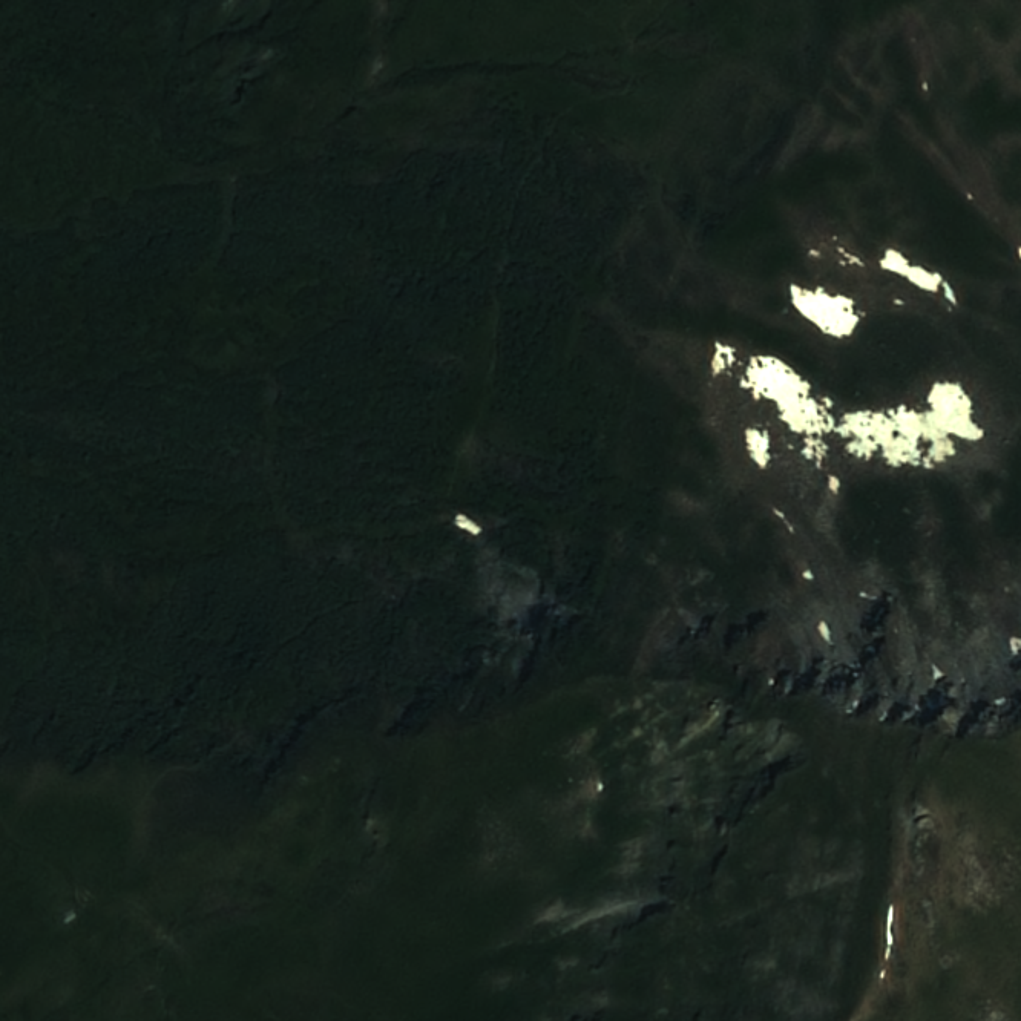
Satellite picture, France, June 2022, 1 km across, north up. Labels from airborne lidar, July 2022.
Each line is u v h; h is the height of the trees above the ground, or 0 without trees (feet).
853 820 0
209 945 0
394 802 0
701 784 0
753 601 0
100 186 0
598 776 0
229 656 18
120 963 0
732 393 0
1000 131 0
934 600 0
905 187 0
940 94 0
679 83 0
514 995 0
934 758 0
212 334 0
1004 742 0
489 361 0
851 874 0
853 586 0
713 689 0
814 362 0
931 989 0
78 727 18
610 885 0
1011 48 0
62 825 0
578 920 0
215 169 0
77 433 0
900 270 0
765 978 0
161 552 0
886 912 0
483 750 0
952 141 0
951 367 0
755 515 0
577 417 0
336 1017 0
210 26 0
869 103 0
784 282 0
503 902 0
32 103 0
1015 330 0
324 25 0
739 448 0
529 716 0
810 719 0
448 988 0
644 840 0
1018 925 0
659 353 0
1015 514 0
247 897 0
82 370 0
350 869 0
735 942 0
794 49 0
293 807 0
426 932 0
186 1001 0
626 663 0
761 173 0
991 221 0
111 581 0
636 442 0
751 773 0
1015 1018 0
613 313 0
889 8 0
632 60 0
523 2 0
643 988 0
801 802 0
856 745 0
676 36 0
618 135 0
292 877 0
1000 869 0
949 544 0
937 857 0
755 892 0
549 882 0
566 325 0
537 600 0
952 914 0
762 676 0
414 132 0
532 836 0
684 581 0
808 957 0
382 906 0
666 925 0
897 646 0
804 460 0
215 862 0
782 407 0
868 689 0
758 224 0
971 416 0
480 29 0
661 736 0
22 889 0
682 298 0
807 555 0
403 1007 0
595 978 0
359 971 0
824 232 0
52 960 0
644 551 0
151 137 0
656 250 0
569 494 17
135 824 0
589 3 0
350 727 0
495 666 0
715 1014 0
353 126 0
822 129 0
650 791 0
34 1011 0
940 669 0
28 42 0
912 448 0
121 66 0
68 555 0
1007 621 0
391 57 0
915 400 0
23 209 0
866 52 0
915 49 0
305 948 0
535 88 0
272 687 0
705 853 0
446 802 0
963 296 0
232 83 0
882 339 0
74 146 0
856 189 0
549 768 0
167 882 0
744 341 0
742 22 0
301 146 0
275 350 0
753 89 0
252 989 0
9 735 0
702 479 0
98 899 0
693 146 0
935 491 0
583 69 0
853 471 0
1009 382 0
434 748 0
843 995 0
